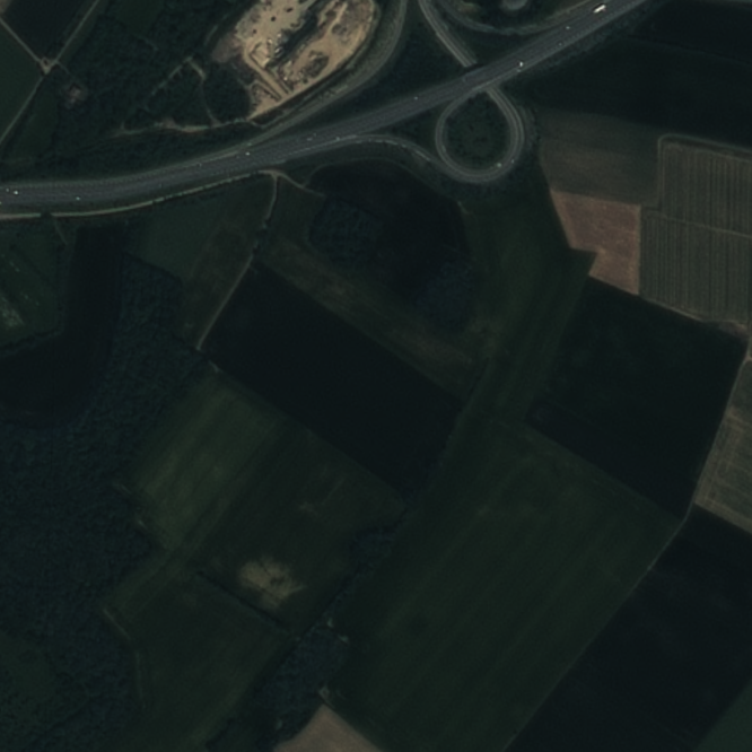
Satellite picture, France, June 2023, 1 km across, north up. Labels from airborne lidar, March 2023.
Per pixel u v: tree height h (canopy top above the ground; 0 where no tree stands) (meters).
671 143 0
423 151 0
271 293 0
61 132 11
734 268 0
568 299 0
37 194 0
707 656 0
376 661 0
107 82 14
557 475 0
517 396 0
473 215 0
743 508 0
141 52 14
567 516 0
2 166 7
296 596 0
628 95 0
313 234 13
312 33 0
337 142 0
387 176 0
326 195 0
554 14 0
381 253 0
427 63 14
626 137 0
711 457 0
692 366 0
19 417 0
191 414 0
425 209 0
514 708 0
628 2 0
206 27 6
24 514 26
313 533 0
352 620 0
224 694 0
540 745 0
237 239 0
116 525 20
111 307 0
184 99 7
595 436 0
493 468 0
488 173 0
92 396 14
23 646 0
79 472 21
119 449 16
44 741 12
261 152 0
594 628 0
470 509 0
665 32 0
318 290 0
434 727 0
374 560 14
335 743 0
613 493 0
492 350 0
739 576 0
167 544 0
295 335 0
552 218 0
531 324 0
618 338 0
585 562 0
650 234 0
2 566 21
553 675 0
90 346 0
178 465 0
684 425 0
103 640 19
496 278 0
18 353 0
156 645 0
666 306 0
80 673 20
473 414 0
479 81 0
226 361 0
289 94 0
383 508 0
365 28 0
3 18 0
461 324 14
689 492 0
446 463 0
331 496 0
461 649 0
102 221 8
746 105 0
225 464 0
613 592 0
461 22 0
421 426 0
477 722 0
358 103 10
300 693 8
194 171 0
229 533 0
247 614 0
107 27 11
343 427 0
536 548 0
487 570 0
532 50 0
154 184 0
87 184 0
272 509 0
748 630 0
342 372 0
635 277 0
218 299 0
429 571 0
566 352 0
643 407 0
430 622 0
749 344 0
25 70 0
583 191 0
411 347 0
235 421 0
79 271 0
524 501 0
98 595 15
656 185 0
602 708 0
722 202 0
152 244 0
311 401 0
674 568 0
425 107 0
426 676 0
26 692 0
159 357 22
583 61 0
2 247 0
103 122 12
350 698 0
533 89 0
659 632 0
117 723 17
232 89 9
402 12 0
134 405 13
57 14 0
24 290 0
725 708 0
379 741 0
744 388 0
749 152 0
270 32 0
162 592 0
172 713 0
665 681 0
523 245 0
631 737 0
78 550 20
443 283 15
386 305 0
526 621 0
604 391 0
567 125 0
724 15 0
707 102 0
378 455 0
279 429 0
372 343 0
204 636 0
